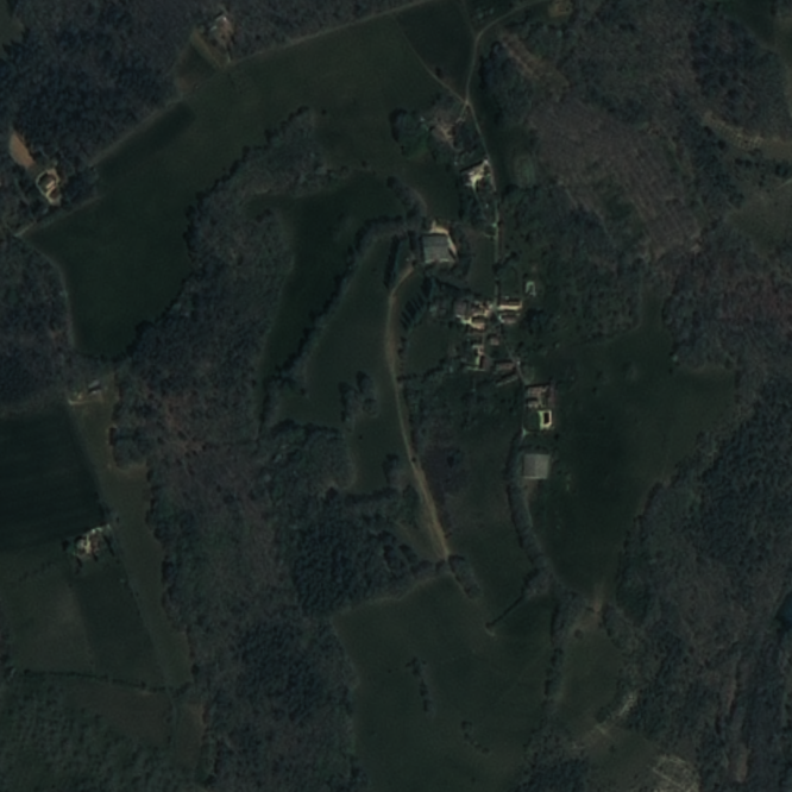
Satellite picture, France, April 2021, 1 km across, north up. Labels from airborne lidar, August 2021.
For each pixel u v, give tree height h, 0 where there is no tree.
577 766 10
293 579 14
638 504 0
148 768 11
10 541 0
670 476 0
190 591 20
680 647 23
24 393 0
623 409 0
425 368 0
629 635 17
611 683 0
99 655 0
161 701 0
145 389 0
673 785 0
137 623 0
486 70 19
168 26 19
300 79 0
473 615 0
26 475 0
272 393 19
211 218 26
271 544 18
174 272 0
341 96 0
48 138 18
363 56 0
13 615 0
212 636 19
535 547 14
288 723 10
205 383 14
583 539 0
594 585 0
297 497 24
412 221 13
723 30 19
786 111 20
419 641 0
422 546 0
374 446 0
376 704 0
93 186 9
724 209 20
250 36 18
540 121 15
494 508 0
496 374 0
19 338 0
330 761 22
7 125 20
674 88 18
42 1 20
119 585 0
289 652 24
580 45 21
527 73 8
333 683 20
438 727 0
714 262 5
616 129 18
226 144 0
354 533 21
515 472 17
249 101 0
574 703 0
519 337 0
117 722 0
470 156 9
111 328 0
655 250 8
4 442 0
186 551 20
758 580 12
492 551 0
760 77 17
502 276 16
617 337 9
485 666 0
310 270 0
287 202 0
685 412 0
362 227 0
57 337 0
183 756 0
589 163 12
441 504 0
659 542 22
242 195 18
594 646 0
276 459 13
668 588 23
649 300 0
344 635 0
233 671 18
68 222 0
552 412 0
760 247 0
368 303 0
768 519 8
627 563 10
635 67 23
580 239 17
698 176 14
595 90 21
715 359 20
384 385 0
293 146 22
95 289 0
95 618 0
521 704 0
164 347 0
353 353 0
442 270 8
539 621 0
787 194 0
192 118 0
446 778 0
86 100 14
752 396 18
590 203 10
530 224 17
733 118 16
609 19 20
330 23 16
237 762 11
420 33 0
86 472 0
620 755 0
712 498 12
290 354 0
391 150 0
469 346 9
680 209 13
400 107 0
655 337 0
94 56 15
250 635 15
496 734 0
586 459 0
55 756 10
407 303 0
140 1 16
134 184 0
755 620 20
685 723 7
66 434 0
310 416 0
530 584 16
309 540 21
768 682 10
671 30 16
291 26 13
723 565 13
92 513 0
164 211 0
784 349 18
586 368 0
